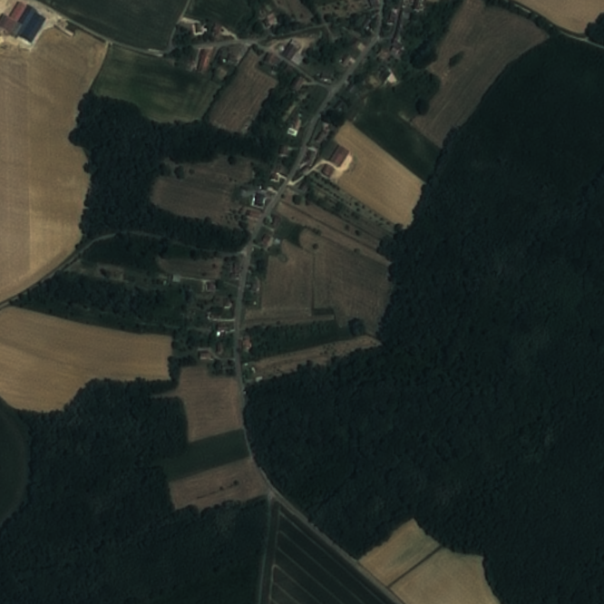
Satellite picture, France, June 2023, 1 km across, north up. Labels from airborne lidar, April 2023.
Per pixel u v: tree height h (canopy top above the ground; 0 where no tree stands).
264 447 22
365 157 0
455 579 0
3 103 0
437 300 29
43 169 0
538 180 13
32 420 19
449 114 0
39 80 0
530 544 18
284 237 0
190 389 0
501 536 17
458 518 22
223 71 0
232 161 13
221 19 0
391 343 21
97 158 26
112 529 24
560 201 14
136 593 15
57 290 21
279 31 26
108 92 0
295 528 0
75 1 0
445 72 0
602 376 18
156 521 17
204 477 0
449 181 14
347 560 0
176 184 0
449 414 21
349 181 0
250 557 18
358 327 22
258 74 0
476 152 13
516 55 0
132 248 25
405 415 27
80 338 0
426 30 7
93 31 0
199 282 0
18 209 0
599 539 17
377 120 0
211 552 16
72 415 22
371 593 0
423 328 28
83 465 28
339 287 0
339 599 0
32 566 9
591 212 28
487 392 16
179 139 26
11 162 0
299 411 27
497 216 10
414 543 0
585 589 20
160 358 0
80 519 27
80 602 24
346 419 30
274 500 0
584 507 19
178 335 14
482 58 0
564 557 18
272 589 0
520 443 28
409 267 27
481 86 0
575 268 29
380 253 11
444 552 0
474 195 12
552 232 22
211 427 0
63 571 21
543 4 0
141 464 21
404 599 0
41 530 28
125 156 30
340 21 7
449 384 14
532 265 24
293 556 0
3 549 17
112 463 31
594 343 24
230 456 0
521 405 22
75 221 0
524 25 0
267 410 21
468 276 27
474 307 27
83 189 0
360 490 25
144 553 19
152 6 0
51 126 0
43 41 0
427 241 26
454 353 29
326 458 19
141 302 21
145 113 0
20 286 0
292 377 18
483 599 0
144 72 0
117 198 29
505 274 20
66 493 24
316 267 0
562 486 17
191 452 0
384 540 24
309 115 0
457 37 0
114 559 20
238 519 18
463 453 31
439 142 0
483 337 26
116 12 0
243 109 0
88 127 21
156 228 21
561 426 20
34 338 0
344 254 0
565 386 19
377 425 32
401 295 26
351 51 0
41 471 23
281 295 0
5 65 0
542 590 20
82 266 0
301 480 19
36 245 0
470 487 17
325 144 10
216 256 8
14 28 0
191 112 0
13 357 0
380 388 25
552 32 15
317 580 0
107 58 0
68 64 0
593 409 20
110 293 26
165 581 18
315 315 0
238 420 0
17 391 0
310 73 0
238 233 9
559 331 21
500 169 11
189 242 21
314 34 0
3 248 0
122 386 25
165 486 15
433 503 20
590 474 18
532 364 27
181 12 0
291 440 31
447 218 22
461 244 12
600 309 28
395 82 0
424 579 0
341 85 0
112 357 0
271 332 8
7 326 0
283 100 8
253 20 7
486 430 29
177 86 0
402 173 0
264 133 8
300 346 0
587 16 0
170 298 0
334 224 0
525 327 26
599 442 19
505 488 18
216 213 0
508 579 18
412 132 0
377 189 0
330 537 15
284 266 0
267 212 0
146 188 29
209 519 20
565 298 19
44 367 0
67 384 0
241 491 0
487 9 0
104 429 28
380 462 31
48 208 0
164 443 21
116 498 26
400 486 26
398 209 0
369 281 0
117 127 20
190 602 0
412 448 29
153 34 0
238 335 0
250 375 8
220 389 0
